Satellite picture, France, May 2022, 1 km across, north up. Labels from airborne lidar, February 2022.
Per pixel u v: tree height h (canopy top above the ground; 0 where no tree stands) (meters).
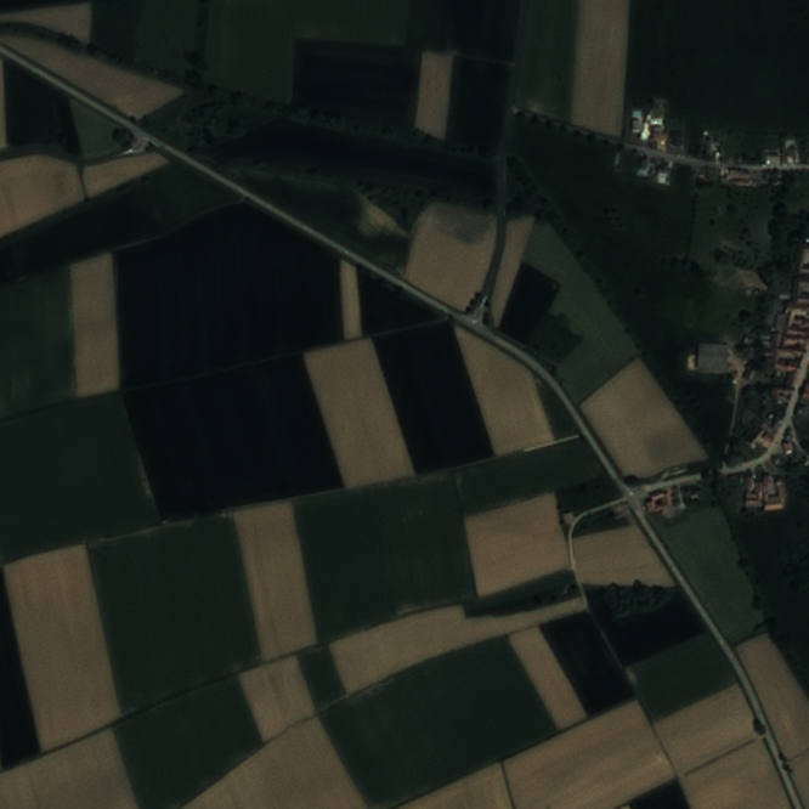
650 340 0
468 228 0
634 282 0
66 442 0
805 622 0
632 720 0
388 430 0
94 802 0
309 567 0
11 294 0
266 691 0
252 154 0
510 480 0
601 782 0
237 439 0
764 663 0
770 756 0
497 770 0
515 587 0
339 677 0
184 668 0
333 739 0
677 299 0
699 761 0
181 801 0
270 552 0
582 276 0
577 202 0
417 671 0
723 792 0
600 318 0
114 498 0
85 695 0
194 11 0
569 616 0
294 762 0
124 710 0
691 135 0
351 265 0
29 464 0
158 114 0
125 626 0
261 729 0
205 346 0
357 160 0
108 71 0
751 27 0
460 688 0
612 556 0
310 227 0
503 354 0
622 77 0
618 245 0
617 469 0
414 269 0
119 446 0
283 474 0
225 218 0
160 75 0
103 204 0
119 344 0
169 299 0
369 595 0
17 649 0
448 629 0
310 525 0
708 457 0
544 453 0
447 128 0
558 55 0
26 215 0
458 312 0
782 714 0
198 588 0
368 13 0
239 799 0
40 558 0
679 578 0
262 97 0
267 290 0
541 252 0
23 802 0
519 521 0
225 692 0
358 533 0
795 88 0
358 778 0
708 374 0
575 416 0
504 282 0
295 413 0
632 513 0
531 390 0
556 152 0
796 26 0
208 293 0
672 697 0
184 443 0
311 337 0
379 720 0
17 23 0
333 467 0
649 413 0
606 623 0
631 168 0
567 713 0
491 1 0
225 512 0
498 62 0
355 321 0
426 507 0
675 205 0
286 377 0
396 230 0
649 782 0
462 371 0
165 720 0
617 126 0
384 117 0
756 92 0
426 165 0
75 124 0
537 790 0
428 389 0
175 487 0
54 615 0
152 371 0
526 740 0
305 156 0
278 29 0
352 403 0
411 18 0
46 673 0
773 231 12
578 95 0
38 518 0
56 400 0
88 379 0
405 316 0
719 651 0
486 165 0
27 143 0
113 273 0
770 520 0
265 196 0
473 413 0
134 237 0
